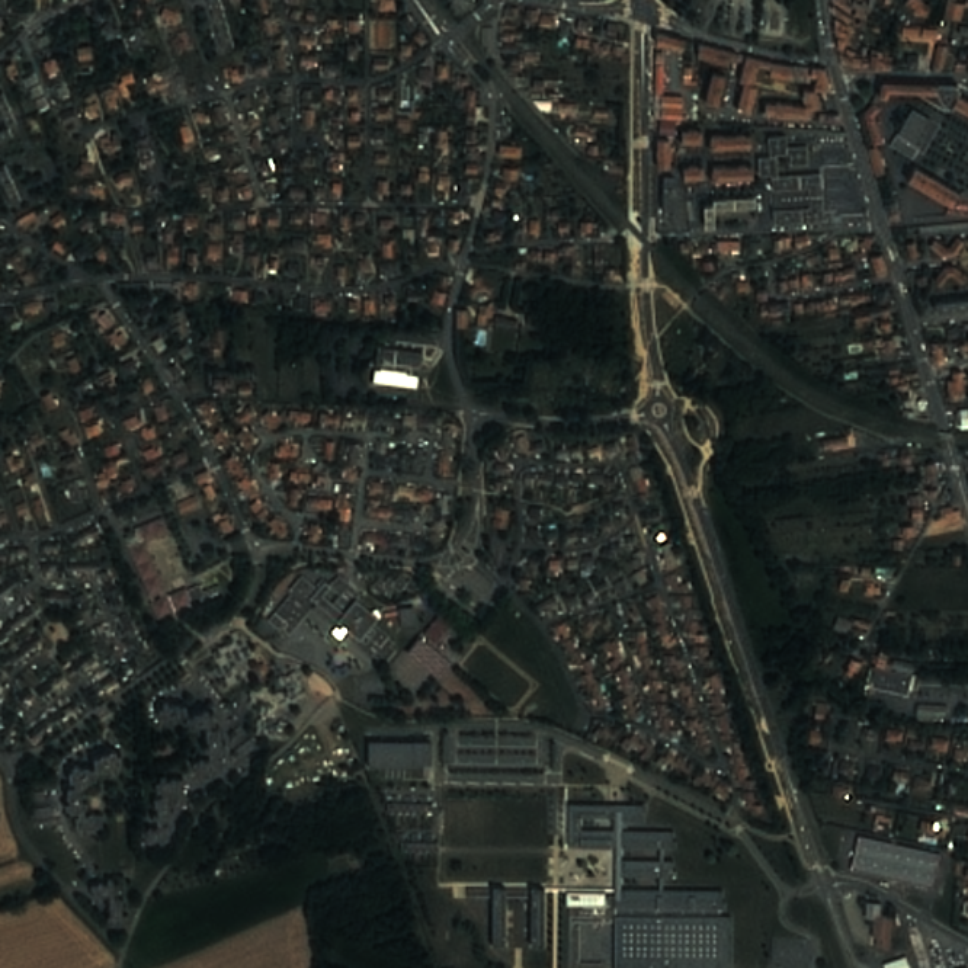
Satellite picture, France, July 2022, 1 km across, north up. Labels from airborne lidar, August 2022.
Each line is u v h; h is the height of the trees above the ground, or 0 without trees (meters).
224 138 0
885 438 0
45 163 0
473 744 0
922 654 13
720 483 17
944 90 0
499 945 0
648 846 0
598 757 0
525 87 0
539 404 0
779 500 7
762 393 8
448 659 0
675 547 11
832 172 0
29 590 0
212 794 10
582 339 10
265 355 0
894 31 9
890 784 12
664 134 0
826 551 0
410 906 8
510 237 7
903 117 17
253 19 7
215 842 7
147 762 10
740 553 0
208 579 0
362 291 0
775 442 6
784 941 0
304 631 0
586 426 13
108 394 8
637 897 0
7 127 0
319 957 8
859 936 0
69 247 7
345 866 0
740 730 9
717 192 7
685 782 9
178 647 12
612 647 0
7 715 8
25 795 12
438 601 13
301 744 0
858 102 13
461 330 8
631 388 12
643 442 14
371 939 5
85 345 7
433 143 7
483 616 13
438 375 0
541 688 0
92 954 0
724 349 8
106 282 0
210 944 0
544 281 9
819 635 8
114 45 15
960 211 0
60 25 14
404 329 13
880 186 6
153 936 0
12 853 0
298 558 8
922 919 0
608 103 8
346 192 6
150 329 8
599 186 0
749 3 0
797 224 0
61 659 9
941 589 0
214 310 5
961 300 0
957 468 0
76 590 9
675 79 0
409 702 11
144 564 0
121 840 0
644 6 0
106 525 7
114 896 0
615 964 0
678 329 0
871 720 13
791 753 9
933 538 0
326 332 16
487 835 0
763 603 0
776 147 0
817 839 0
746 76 0
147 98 10
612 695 7
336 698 0
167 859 15
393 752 0
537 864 0
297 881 0
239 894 0
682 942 0
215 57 10
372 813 8
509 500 7
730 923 0
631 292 0
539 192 6
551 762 6
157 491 11
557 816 0
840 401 0
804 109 0
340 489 0
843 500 10
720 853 12
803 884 0
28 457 0
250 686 10
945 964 0
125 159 7
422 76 0
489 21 0
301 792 0
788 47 9
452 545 0
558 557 6
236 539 10
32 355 0
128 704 8
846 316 7
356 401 10
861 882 0
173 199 6
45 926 0
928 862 0
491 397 10
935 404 0
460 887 0
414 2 0
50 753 13
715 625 13
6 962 0
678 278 0
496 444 13
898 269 0
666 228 0
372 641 0
